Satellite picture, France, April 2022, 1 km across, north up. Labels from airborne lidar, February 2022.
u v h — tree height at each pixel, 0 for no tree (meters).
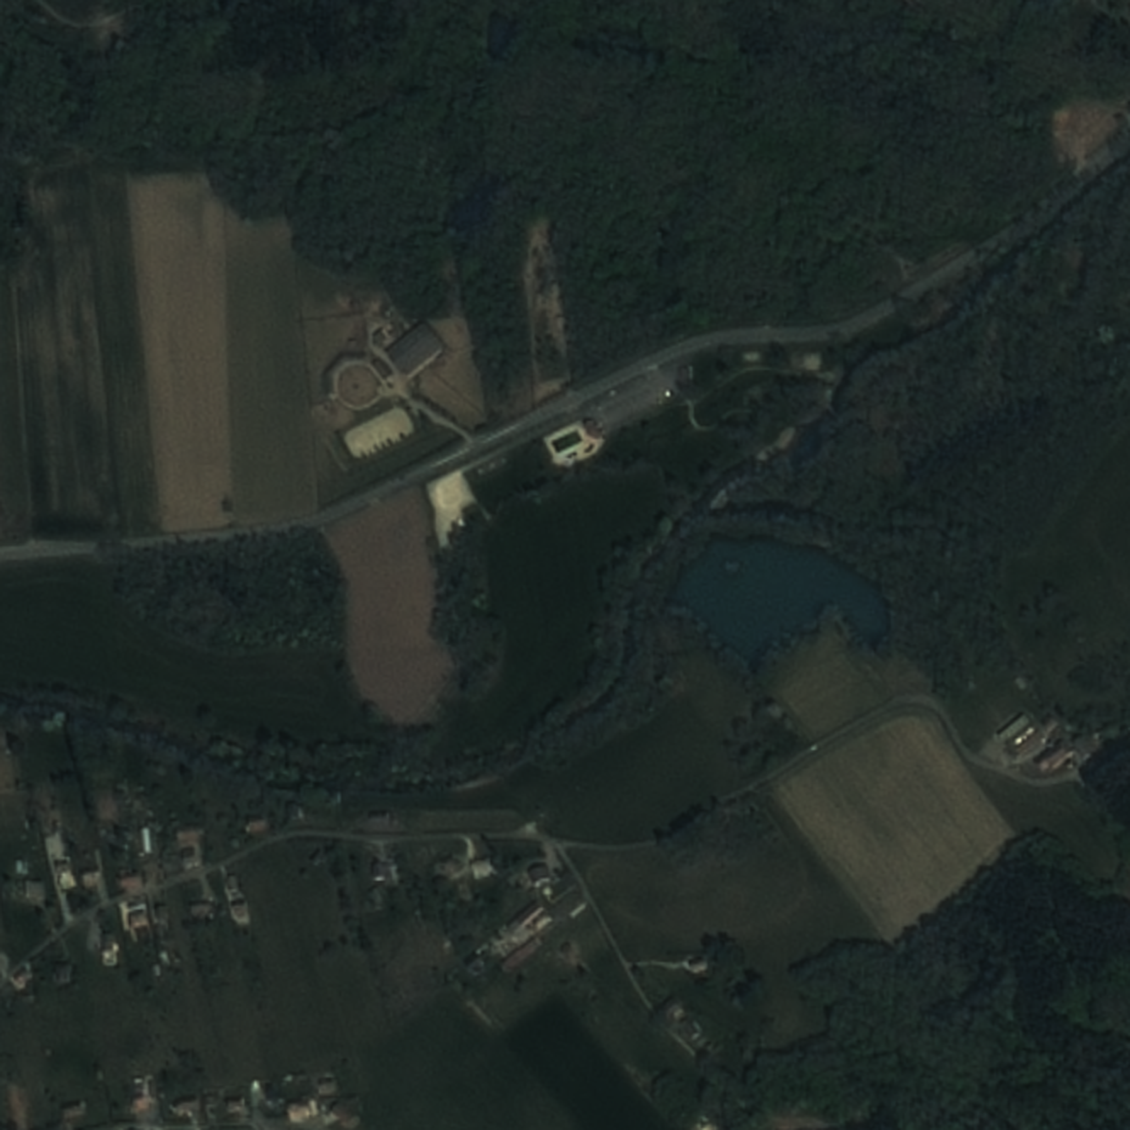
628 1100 0
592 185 19
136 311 0
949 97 24
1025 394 23
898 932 0
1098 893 15
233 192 21
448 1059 0
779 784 0
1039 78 21
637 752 0
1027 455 20
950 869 0
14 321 0
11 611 0
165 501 0
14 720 14
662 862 0
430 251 25
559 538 0
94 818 15
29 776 0
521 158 22
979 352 23
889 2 25
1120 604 0
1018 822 0
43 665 0
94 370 0
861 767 0
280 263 0
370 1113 0
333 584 9
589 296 19
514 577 0
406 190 18
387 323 0
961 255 0
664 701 16
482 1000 0
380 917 0
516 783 0
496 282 20
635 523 0
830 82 23
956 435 25
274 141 27
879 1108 12
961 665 18
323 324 0
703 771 0
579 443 0
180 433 0
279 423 0
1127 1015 10
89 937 0
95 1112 0
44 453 0
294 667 0
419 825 0
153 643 0
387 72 23
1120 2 14
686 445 0
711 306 14
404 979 0
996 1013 24
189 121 24
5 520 0
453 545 13
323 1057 0
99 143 20
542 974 0
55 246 0
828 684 0
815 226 18
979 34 22
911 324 0
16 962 0
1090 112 0
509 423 0
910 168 19
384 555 0
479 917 12
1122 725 8
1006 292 9
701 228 19
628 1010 0
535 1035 0
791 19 26
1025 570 0
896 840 0
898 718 0
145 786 0
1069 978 18
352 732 0
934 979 27
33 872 0
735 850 10
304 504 0
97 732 21
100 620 0
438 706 0
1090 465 17
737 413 0
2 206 10
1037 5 20
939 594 18
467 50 21
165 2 21
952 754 0
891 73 8
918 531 16
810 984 17
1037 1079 18
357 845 0
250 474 0
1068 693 0
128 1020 0
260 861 0
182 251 0
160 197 0
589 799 0
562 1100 0
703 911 0
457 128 21
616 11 21
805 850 0
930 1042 29
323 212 20
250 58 8
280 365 0
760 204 15
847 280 17
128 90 24
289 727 0
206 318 0
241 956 0
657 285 9
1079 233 10
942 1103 21
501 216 21
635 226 23
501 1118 0
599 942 0
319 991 0
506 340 21
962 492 22
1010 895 18
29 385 0
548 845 0
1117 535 0
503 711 0
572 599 0
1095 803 16
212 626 18
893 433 10
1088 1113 7
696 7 22
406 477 0
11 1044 0
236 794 13
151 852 0
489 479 0
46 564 0
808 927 0
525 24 24
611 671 20
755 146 20
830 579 0
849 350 10
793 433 0
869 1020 25
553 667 0
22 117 20
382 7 9
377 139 23
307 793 19
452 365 0
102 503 0
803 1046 10
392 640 0
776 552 0
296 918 0
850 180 23
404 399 0
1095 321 18
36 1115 0
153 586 7
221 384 0
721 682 0
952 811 0
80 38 8
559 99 24
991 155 22
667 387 0
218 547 7
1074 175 0
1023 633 0
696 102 16
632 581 16
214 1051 0
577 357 14
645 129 24
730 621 0
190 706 0
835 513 18
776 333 0
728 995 8
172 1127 0
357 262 15
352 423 0
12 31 24
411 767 25
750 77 17
